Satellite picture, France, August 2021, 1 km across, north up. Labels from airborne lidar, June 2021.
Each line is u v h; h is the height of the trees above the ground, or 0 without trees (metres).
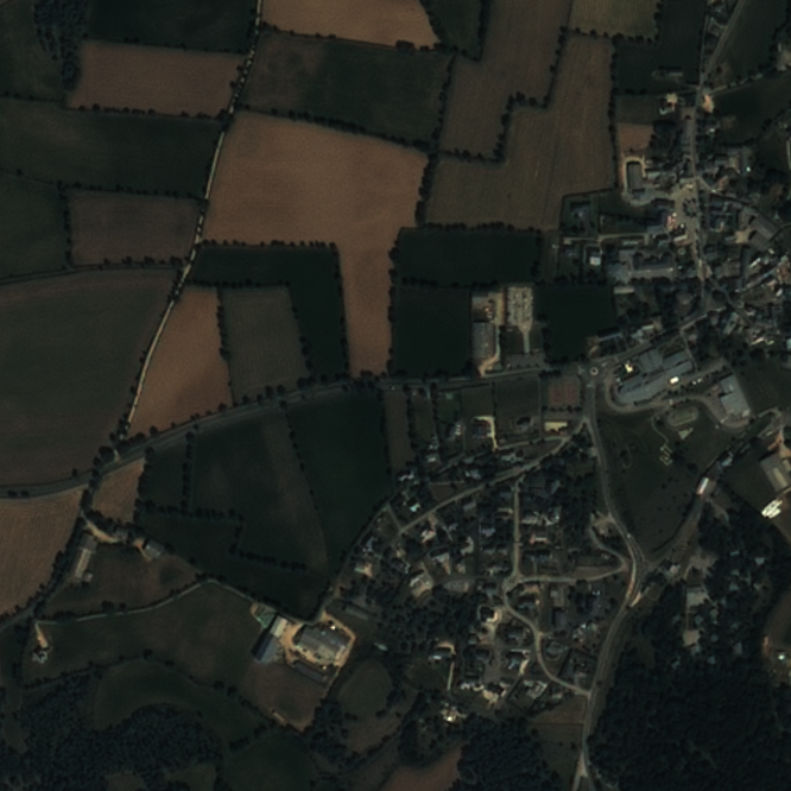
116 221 0
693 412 0
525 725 10
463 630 10
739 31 0
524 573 0
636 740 15
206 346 0
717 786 16
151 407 0
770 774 13
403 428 0
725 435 0
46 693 0
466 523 10
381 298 0
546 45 0
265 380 0
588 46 0
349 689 0
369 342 0
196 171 0
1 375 0
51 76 0
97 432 0
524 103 17
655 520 0
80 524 11
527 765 15
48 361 0
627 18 0
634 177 0
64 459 0
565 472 6
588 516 7
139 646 0
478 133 0
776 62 10
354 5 0
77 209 0
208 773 0
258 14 10
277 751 0
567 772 0
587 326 0
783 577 16
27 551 0
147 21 0
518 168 0
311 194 0
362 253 0
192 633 0
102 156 0
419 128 0
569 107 0
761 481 0
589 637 0
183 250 0
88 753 19
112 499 0
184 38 0
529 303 0
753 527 18
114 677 0
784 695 12
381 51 0
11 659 0
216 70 0
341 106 0
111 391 0
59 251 0
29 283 0
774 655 0
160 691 0
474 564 0
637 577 0
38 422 0
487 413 0
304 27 0
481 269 0
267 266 0
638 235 0
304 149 0
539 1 0
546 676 0
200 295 0
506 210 0
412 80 0
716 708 19
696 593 0
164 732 16
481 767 13
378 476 0
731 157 0
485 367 0
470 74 0
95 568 0
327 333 0
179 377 0
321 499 0
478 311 0
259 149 0
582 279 8
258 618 0
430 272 0
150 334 0
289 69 0
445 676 0
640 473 0
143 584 0
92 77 0
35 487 0
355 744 0
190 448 8
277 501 0
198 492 0
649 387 0
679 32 0
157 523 0
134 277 0
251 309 0
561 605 0
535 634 0
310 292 0
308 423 0
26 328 0
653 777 13
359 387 13
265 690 0
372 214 0
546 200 0
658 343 8
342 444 0
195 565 12
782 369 0
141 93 0
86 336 0
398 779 0
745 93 0
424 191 11
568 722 0
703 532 14
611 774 10
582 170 0
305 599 0
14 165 0
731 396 0
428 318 0
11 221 0
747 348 10
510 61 0
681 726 18
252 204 0
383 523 0
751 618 12
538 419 0
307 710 0
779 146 0
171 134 0
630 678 15
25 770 13
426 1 14
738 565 18
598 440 0
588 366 10
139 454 0
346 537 0
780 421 0
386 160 0
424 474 9
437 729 7
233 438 0
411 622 9
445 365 0
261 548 0
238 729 0
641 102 0
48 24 15
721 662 15
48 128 0
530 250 0
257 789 0
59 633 0
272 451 0
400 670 6
